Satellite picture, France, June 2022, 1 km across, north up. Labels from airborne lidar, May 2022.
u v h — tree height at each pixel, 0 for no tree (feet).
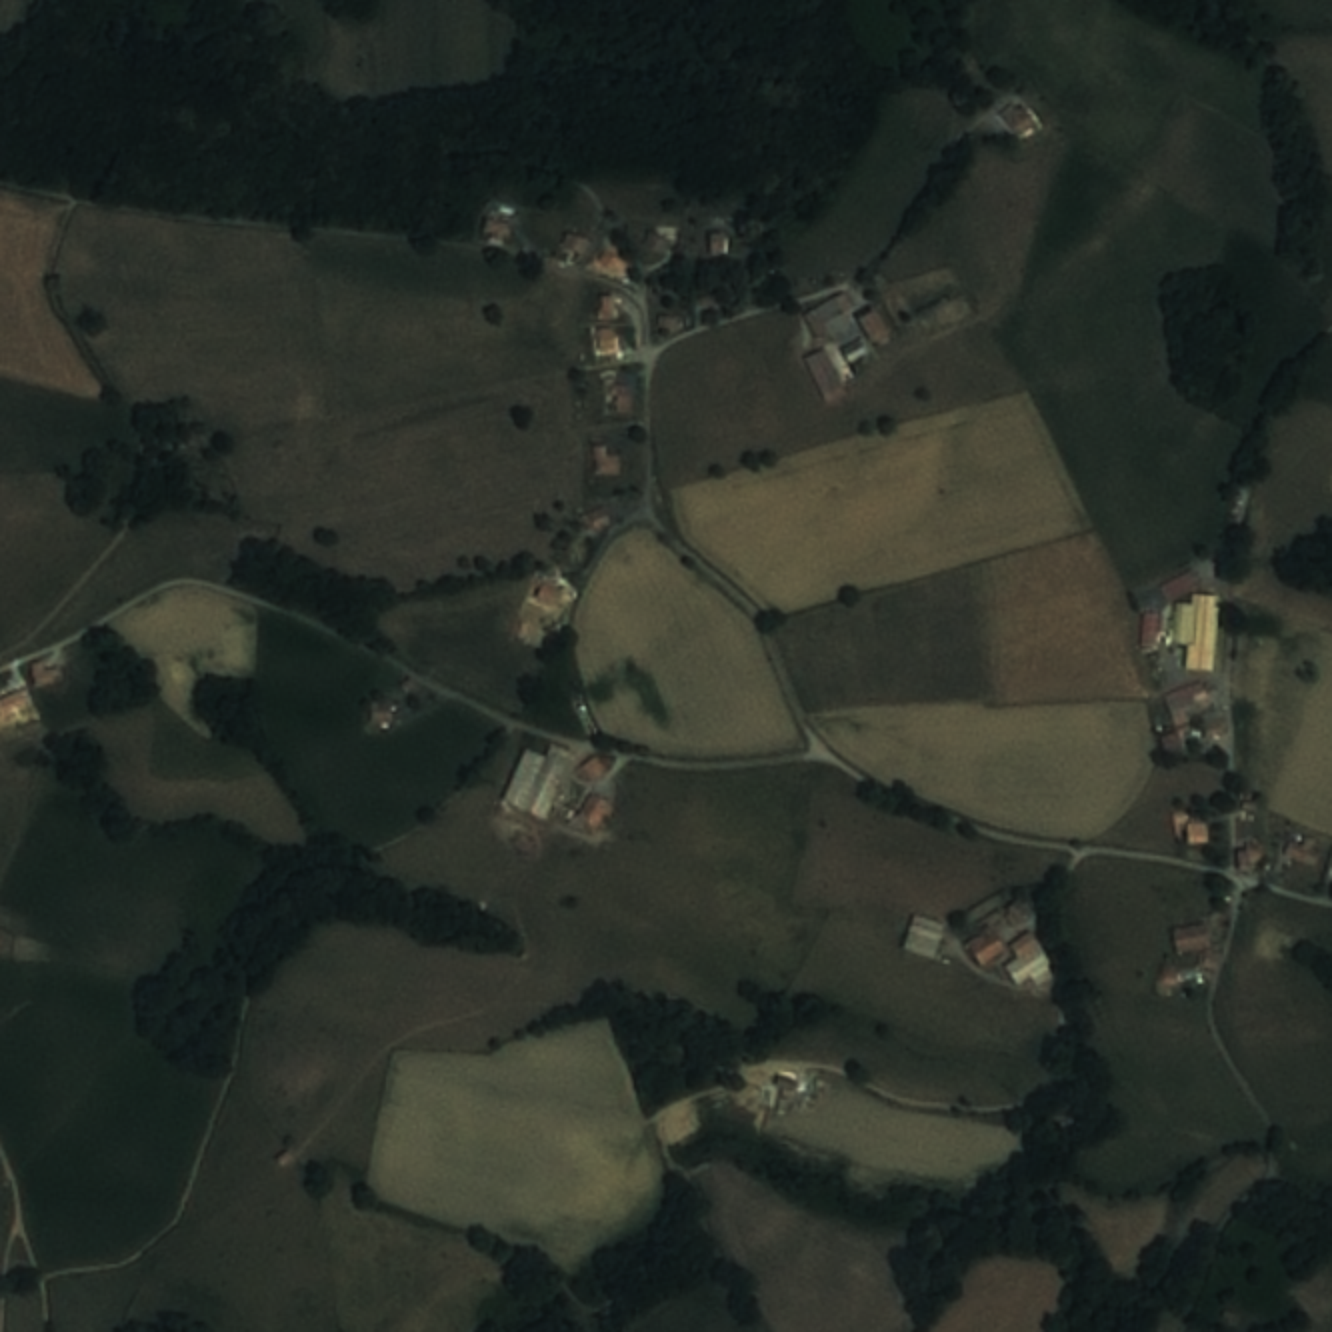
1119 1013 0
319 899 64
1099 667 0
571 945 0
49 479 0
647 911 0
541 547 0
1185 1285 72
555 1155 0
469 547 0
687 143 53
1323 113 0
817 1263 0
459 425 0
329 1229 0
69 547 0
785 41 50
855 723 0
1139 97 0
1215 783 0
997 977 0
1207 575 0
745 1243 0
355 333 0
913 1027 0
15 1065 0
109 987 0
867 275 38
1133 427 0
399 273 0
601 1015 42
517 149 45
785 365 0
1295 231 52
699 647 0
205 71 98
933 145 0
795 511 0
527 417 37
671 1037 38
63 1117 0
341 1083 0
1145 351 0
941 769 0
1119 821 0
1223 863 24
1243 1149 29
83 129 69
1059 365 0
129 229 0
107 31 53
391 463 0
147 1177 0
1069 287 0
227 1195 0
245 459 0
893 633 0
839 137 67
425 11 0
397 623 0
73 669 0
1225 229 0
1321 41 0
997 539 0
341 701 0
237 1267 0
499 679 0
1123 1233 0
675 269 29
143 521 38
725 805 0
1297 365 47
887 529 0
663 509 0
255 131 49
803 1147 0
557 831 0
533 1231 0
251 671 0
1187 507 0
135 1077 0
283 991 0
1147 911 0
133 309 0
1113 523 0
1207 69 0
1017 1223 76
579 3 61
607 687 0
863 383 0
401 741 0
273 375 0
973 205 0
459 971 0
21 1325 0
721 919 0
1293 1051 0
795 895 0
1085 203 0
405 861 0
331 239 0
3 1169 0
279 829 0
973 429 0
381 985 0
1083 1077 63
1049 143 0
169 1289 0
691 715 0
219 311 0
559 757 0
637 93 60
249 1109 0
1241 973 0
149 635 0
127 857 0
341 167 51
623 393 0
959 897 0
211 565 0
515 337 0
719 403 0
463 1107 0
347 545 0
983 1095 0
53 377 0
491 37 0
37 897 0
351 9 48
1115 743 0
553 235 0
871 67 37
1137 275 0
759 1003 25
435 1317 0
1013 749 0
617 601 0
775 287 47
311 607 33
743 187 52
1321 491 0
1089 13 0
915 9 33
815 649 0
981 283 0
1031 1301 0
